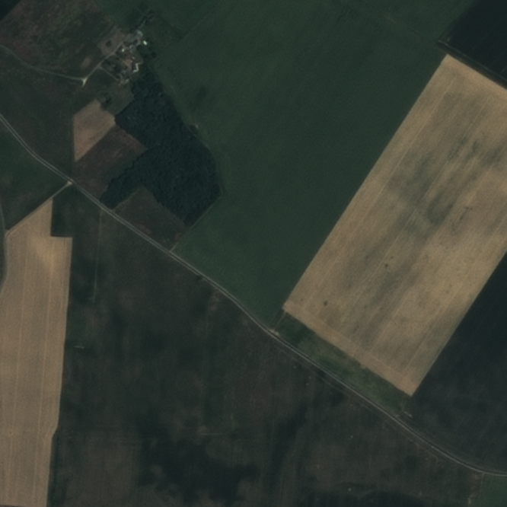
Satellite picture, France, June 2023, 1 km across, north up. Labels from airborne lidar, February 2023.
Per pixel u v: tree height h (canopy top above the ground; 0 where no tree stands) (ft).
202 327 0
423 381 0
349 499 0
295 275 0
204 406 0
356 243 0
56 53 0
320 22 0
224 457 0
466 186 0
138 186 50
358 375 0
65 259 0
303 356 0
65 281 0
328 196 0
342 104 0
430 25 0
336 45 0
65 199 0
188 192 63
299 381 0
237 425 0
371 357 0
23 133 0
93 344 0
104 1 0
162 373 0
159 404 0
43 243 0
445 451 0
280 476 0
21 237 0
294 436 0
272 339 0
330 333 0
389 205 0
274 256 0
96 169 0
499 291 0
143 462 0
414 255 0
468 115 0
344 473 0
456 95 0
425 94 0
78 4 0
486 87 0
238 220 0
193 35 0
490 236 0
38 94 0
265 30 0
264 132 0
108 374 0
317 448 0
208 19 0
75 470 0
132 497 0
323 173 0
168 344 0
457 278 0
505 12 0
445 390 0
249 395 0
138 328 0
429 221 0
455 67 0
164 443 0
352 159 0
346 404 0
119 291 0
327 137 0
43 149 0
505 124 0
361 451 0
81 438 0
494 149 0
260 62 0
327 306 0
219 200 0
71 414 0
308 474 0
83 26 0
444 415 0
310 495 0
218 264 0
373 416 0
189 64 0
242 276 0
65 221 0
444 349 0
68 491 0
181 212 53
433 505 0
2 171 0
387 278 0
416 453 0
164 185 52
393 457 0
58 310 0
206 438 0
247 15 0
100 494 0
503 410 0
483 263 0
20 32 0
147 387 0
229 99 0
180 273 0
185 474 0
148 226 0
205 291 0
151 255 0
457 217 0
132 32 29
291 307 0
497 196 0
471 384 0
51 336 0
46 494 0
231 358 0
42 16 0
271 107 0
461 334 0
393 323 0
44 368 0
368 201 0
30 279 0
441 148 0
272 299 0
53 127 0
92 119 0
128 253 0
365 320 0
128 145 0
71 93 0
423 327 0
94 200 0
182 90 0
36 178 0
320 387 0
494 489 0
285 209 0
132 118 65
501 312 0
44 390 0
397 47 0
